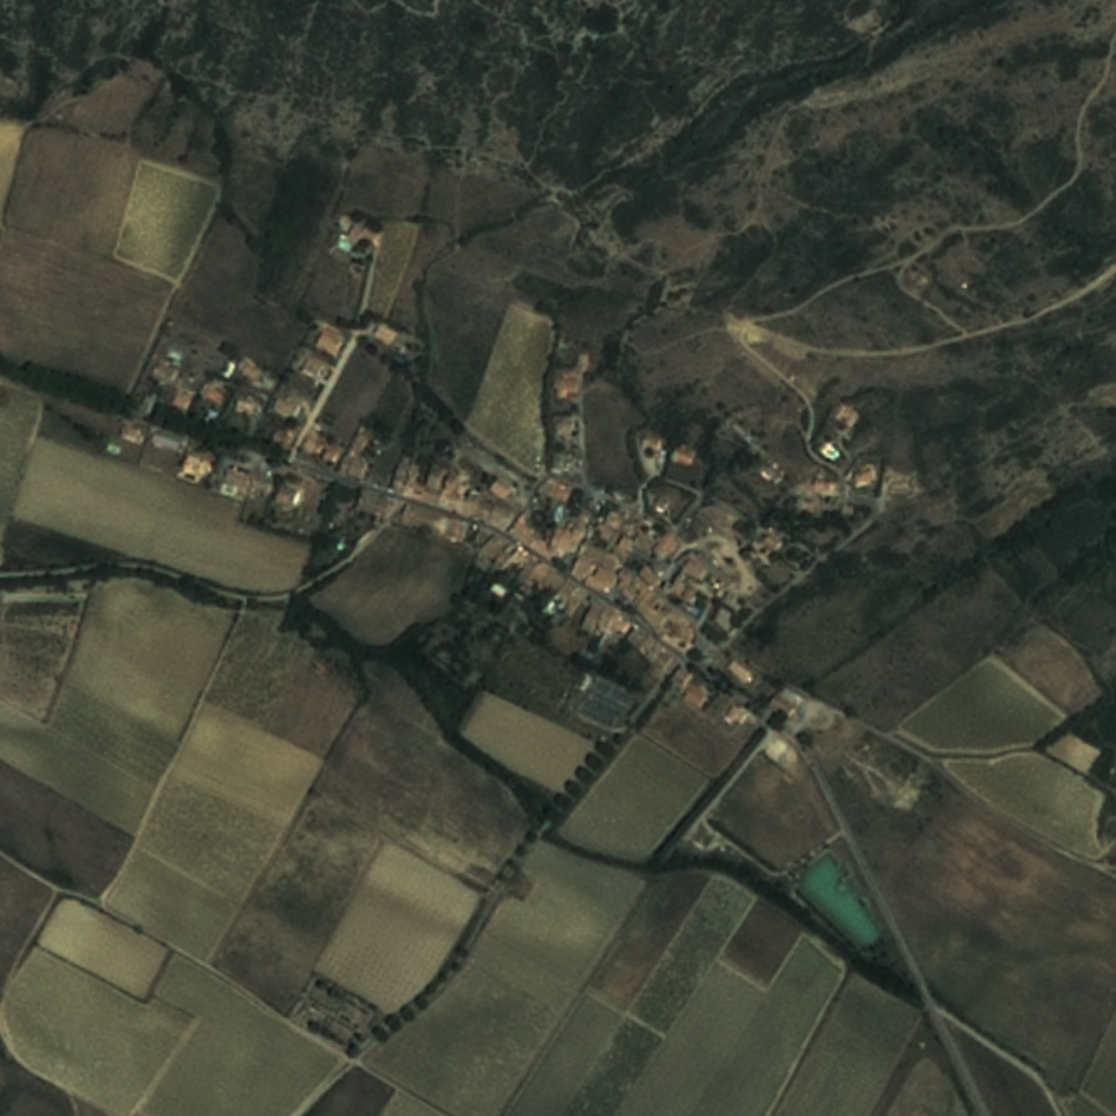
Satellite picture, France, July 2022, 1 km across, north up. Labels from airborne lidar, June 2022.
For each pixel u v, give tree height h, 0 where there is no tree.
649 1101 0
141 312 0
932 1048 0
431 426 7
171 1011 0
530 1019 0
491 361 0
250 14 0
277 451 19
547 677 0
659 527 7
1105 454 0
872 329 0
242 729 0
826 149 0
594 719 0
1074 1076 0
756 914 0
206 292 0
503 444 0
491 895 0
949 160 0
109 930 0
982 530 0
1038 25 0
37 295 0
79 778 0
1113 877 0
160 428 18
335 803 0
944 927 0
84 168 0
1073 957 0
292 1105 0
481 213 0
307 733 0
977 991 0
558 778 0
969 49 0
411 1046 0
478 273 0
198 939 0
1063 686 0
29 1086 0
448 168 0
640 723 6
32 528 0
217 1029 0
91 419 0
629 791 0
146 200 0
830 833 0
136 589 0
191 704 0
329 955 0
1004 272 0
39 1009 0
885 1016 0
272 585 0
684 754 0
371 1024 0
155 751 0
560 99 0
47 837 0
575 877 0
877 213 0
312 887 0
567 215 0
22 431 0
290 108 0
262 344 0
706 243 0
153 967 0
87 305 0
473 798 0
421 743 0
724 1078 0
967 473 0
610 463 0
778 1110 0
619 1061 0
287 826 0
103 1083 0
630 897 0
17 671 0
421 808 0
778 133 0
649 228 0
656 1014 0
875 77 0
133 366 0
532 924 0
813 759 0
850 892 0
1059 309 0
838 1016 0
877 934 0
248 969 0
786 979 0
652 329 0
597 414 0
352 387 0
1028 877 0
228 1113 0
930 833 0
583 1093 0
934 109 0
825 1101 0
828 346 0
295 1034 0
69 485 0
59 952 0
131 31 0
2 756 0
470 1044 0
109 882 0
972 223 0
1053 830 0
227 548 0
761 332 0
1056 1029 0
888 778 0
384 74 0
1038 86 0
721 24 0
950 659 0
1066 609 0
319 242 0
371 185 0
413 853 0
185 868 0
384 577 0
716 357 0
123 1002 0
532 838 12
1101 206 0
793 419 0
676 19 0
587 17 6
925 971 0
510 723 0
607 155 0
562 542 0
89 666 0
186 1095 0
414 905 0
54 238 0
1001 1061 0
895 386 0
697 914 0
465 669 8
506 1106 0
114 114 0
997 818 0
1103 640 0
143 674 0
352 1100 0
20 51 0
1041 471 0
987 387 0
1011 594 0
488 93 0
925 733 0
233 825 0
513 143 0
